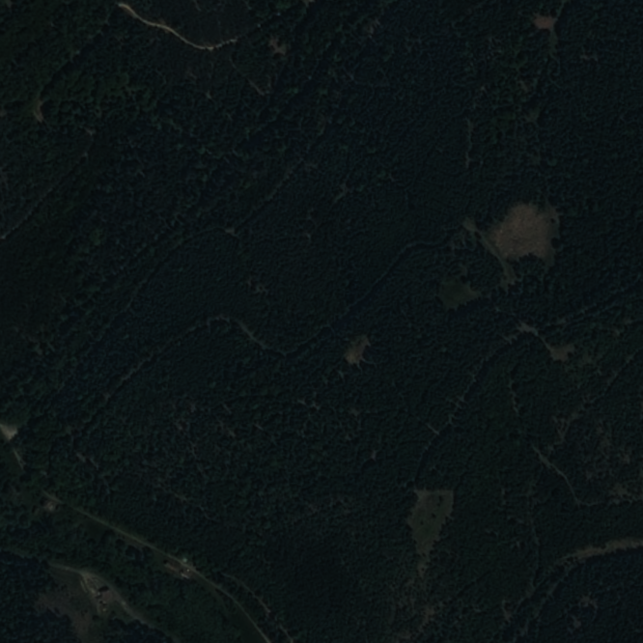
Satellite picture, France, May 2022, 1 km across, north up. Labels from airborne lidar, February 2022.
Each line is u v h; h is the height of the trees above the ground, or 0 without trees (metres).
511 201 20
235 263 18
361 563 9
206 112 21
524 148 19
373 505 8
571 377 7
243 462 12
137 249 25
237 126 20
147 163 34
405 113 13
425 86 14
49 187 11
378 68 15
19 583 11
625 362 12
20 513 16
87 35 18
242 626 0
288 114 25
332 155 14
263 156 22
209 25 10
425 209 16
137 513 11
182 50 12
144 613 0
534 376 11
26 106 19
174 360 11
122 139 12
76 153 11
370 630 10
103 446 19
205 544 12
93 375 17
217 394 9
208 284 13
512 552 13
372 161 12
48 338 14
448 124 10
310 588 9
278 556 12
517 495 12
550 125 20
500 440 19
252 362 18
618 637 11
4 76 24
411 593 7
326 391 16
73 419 18
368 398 13
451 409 16
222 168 31
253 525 10
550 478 18
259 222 12
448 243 17
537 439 18
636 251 11
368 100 12
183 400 6
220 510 16
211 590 0
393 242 11
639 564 14
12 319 11
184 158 18
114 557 21
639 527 14
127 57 13
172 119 21
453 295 0
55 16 18
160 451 17
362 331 21
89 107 16
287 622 10
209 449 9
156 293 13
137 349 15
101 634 0
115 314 7
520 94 10
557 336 10
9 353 9
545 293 18
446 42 19
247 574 12
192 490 13
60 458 14
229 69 11
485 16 10
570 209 20
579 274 12
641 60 14
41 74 19
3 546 14
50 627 26
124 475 11
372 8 25
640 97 16
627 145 20
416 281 14
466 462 13
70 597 0
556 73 16
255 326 20
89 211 32
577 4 10
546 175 16
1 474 14
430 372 22
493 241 0
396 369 17
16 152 7
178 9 9
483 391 18
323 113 12
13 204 8
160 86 16
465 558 13
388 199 10
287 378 16
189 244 9
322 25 25
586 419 10
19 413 20
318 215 14
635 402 7
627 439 9
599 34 12
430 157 15
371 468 16
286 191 6
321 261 9
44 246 17
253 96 19
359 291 20
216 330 16
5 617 15
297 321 12
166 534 11
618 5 15
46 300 12
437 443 16
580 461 8
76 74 20
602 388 14
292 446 14
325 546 12
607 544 10
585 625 16
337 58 21
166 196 21
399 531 11
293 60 15
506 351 22
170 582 11
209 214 14
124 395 10
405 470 12
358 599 8
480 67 13
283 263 11
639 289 17
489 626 15
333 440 13
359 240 14
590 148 7
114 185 28
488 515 13
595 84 14
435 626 12
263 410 13
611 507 8
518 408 7
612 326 12
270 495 21
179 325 13
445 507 0
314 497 13
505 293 20
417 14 15
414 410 14
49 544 15
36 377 27
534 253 0
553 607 14
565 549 13
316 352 11
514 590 12
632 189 13
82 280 10
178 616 20
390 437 7
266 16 18
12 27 19
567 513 17
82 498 7
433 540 0
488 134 15
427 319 20
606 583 18
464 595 13
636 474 8
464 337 23
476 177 13
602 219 14
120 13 19
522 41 17
